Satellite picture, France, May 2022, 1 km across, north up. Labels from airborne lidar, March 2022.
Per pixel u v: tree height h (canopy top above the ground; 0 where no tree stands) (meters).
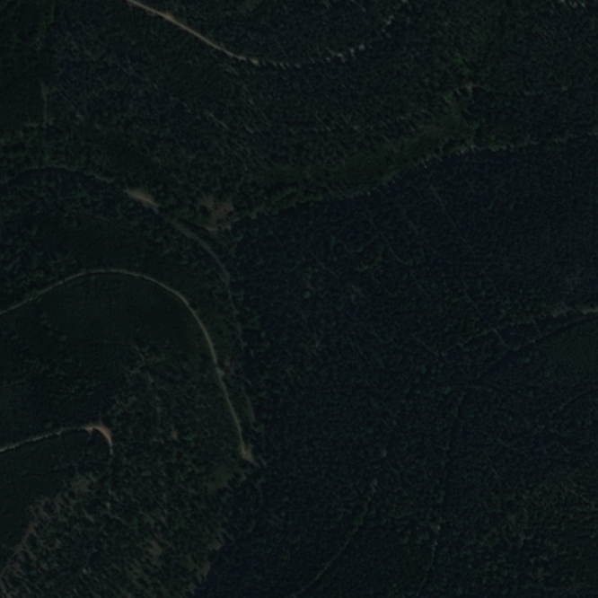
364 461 31
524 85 9
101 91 33
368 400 34
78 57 19
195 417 29
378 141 37
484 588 15
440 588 17
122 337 6
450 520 24
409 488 30
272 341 21
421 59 40
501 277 27
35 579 24
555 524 9
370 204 22
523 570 17
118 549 31
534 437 9
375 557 18
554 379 7
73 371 7
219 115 30
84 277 7
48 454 7
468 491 27
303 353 32
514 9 36
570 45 32
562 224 22
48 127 14
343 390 31
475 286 26
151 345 8
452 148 13
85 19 9
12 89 12
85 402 7
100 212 8
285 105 31
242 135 26
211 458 34
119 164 9
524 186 24
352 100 32
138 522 30
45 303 5
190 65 30
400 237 23
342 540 24
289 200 28
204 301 6
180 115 33
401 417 24
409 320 16
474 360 31
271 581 20
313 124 31
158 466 36
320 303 25
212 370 34
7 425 7
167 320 6
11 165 18
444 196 18
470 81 9
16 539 7
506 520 25
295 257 29
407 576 20
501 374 28
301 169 7
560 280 24
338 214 32
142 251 20
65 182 37
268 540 20
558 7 29
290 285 30
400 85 39
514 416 17
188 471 36
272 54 25
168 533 30
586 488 8
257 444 10
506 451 21
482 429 25
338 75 35
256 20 12
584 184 21
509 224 25
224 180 38
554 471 26
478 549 29
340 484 34
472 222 26
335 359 30
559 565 11
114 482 27
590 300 25
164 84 9
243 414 8
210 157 27
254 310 31
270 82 35
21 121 16
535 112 35
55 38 34
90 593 16
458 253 25
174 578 33
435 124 38
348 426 29
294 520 18
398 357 26
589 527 8
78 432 12
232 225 0
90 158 22
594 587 7
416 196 31
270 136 33
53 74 10
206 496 8
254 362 35
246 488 17
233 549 25
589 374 6
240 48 29
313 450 34
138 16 11
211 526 34
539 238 24
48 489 7
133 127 24
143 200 0
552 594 24
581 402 10
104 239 6
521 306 27
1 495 6
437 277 27
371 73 36
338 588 21
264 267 33
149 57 9
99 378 6
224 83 7
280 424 35
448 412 24
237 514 34
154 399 34
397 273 17
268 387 30
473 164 16
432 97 34
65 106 28
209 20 8
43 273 26
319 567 22
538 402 15
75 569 27
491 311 23
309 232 30
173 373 34
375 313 18
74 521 6
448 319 18
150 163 7
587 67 31
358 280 18
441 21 37
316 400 33
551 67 32
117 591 31
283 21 30
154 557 0
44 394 6
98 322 6
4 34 23
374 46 34
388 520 12
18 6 11
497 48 7
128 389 31
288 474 21
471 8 30
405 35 35
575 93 36
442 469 27
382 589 15
